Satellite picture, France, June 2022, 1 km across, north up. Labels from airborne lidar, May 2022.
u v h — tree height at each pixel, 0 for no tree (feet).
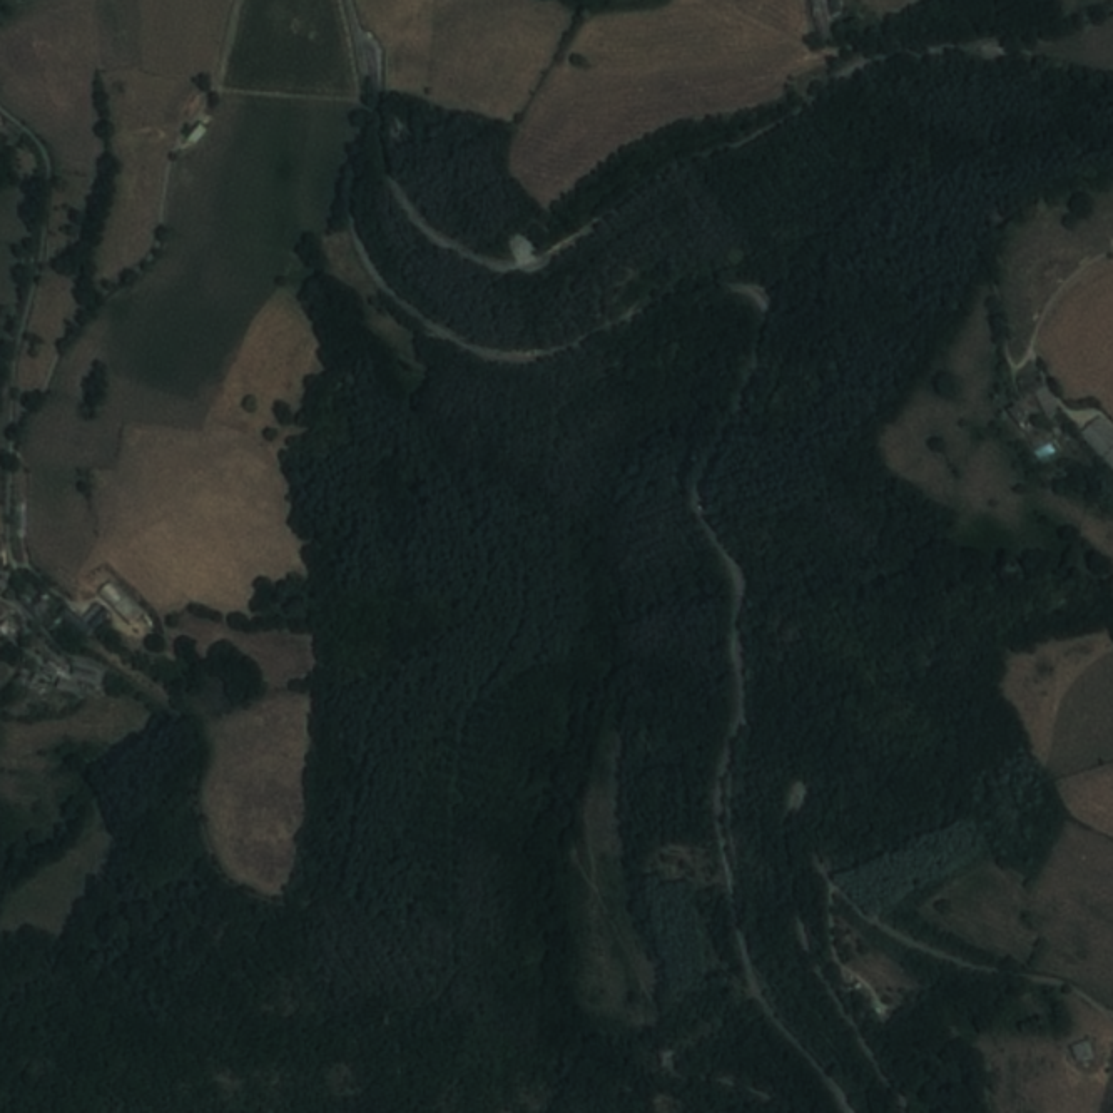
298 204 0
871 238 51
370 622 38
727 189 47
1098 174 60
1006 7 61
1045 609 57
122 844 62
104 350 0
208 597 0
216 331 0
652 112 0
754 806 28
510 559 96
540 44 0
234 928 24
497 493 114
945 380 44
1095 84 62
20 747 0
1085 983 0
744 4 0
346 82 0
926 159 75
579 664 67
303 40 0
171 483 0
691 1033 24
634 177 38
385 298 35
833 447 74
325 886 39
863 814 42
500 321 55
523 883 50
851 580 106
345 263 0
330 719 58
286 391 0
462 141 60
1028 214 55
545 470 65
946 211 103
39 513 0
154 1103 32
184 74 0
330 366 49
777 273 65
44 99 0
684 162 50
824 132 52
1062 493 61
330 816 52
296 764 0
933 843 60
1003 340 29
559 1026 64
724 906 32
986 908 0
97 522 0
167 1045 60
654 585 49
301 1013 28
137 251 0
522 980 44
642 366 77
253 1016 51
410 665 96
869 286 79
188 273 0
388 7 0
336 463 90
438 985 28
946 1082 47
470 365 56
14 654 30
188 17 0
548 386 69
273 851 0
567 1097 50
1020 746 41
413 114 51
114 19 0
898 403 52
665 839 36
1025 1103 0
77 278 21
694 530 62
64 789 0
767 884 28
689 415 105
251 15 0
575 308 46
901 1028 44
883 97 46
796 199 50
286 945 38
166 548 0
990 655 53
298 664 0
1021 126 82
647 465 115
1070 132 57
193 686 34
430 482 87
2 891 42
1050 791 22
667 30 0
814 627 23
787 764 35
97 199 49
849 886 52
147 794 90
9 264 0
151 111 0
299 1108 39
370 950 62
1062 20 55
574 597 88
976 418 0
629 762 34
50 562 0
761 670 33
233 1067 46
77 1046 60
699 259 72
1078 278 0
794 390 58
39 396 41
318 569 54
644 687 38
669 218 33
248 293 0
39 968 24
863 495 43
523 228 31
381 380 96
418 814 53
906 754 40
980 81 68
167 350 0
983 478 0
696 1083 33
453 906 29
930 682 49
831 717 51
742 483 81
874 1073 26
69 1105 49
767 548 38
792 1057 52
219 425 0
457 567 97
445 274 55
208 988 45
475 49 0
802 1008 38
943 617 36
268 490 0
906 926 18
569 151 0
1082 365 0
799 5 0
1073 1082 0
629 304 23
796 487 84
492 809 37
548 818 69
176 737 106
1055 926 0
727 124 35
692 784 50
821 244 77
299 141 0
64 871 0
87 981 46
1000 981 36
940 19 60
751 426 48
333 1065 33
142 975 40
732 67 0
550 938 57
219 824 0
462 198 51
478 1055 44
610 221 61
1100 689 0
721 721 52
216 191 0
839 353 77
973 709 59
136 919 52
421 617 38
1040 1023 54
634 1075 28
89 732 0
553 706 39
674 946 67
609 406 66
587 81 0
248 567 0
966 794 35
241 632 32
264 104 0
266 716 0
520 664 84
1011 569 73
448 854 48
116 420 0
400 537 71
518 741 42
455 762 47
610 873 0
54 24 0
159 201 0
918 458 0
